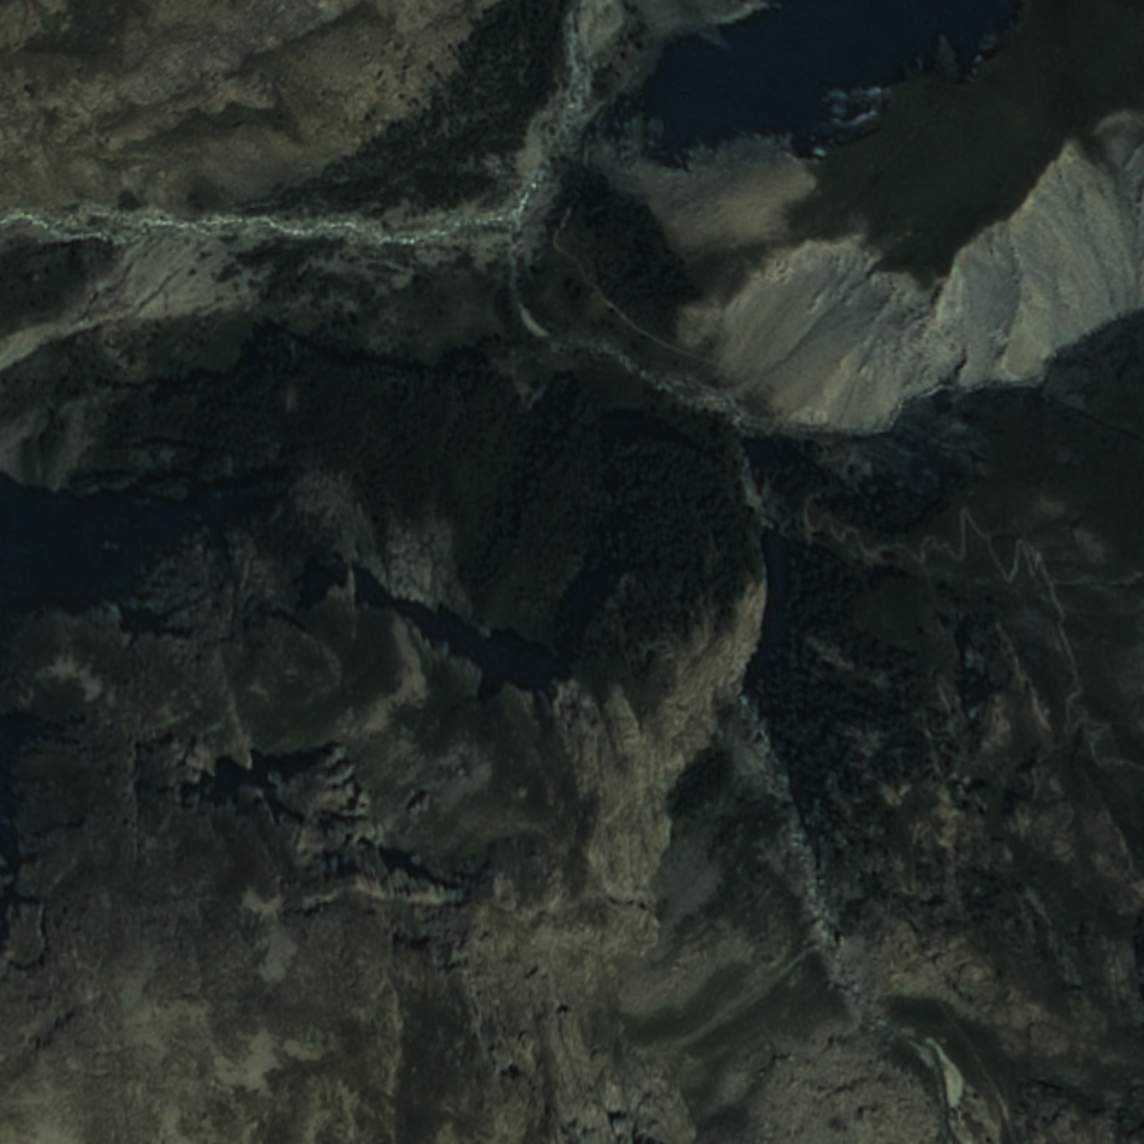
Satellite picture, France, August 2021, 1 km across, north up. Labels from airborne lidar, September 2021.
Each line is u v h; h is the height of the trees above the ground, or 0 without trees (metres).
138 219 0
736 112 0
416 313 0
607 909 0
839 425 0
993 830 0
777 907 0
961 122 0
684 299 12
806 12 0
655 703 0
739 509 32
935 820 0
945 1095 0
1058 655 0
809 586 12
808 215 0
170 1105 0
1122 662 0
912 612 0
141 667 0
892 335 0
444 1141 0
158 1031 0
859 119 0
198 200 8
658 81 0
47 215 0
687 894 0
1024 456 0
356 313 0
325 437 6
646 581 7
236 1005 0
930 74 0
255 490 6
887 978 0
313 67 0
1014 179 0
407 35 0
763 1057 0
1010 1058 0
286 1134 0
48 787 0
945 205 0
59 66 0
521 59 5
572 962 0
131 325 0
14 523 0
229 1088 0
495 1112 0
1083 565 0
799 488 11
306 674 0
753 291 0
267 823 0
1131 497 0
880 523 10
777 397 0
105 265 0
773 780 0
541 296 0
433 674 0
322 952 0
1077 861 0
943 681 0
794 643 8
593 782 0
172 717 0
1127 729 0
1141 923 0
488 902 0
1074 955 0
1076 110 0
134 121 0
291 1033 0
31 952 0
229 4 0
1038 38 0
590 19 0
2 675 0
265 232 0
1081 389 0
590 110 0
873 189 0
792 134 0
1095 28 0
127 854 0
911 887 0
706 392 0
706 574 10
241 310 0
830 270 0
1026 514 0
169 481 9
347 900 0
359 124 0
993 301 0
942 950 0
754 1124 0
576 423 6
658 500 15
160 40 0
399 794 0
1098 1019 0
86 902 0
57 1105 0
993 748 0
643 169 0
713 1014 0
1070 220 0
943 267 0
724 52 0
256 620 0
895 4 0
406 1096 0
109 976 0
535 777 0
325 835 0
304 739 0
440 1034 0
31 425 0
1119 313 0
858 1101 0
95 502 0
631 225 12
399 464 6
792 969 0
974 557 0
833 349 0
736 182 0
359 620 0
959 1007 0
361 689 0
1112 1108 0
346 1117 0
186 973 0
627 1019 0
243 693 0
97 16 0
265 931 0
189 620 0
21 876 0
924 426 0
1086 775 0
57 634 0
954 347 0
